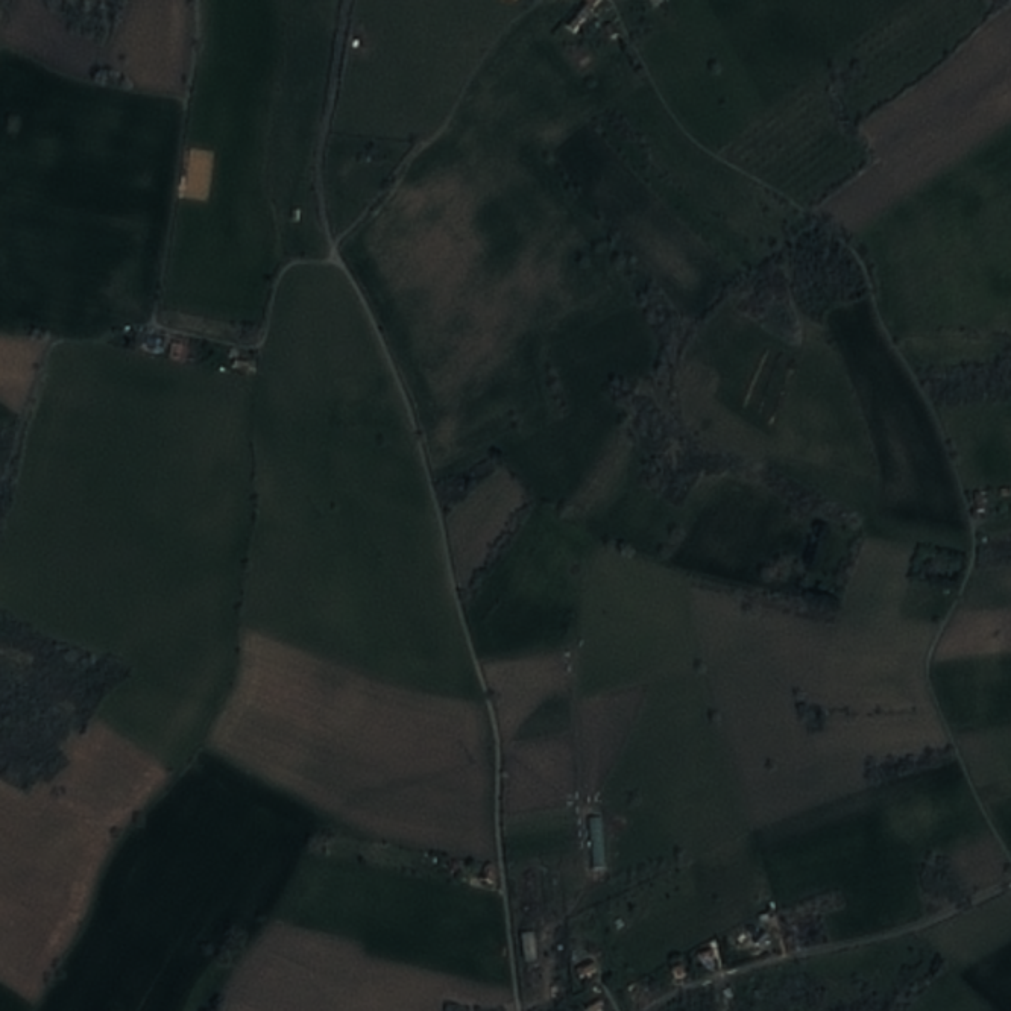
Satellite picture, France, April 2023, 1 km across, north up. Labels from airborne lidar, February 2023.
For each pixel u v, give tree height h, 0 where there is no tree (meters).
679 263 0
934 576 12
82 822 0
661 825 0
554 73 0
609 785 0
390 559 0
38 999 0
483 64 0
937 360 0
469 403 0
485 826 0
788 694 0
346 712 0
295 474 0
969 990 0
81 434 0
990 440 0
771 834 0
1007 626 0
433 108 0
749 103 0
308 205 0
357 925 0
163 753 0
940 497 0
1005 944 0
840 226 12
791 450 0
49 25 0
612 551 13
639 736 0
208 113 0
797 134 0
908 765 8
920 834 0
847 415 0
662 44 0
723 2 0
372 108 0
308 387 0
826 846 0
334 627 0
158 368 0
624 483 0
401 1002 0
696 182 0
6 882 0
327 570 0
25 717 7
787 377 0
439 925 0
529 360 0
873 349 0
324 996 0
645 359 0
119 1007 0
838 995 0
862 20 0
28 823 0
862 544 8
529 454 0
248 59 0
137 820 12
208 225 0
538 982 0
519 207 0
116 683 14
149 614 0
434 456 0
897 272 0
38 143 0
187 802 0
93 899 0
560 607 0
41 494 0
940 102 0
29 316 0
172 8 0
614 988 8
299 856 0
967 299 0
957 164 0
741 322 0
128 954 0
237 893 0
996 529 0
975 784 0
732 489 0
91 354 0
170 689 0
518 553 0
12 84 0
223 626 0
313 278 0
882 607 0
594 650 0
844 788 0
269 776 0
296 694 0
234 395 0
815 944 11
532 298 0
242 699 0
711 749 0
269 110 0
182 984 0
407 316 0
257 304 0
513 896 0
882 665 0
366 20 0
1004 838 0
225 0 0
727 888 0
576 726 0
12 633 13
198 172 0
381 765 0
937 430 0
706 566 0
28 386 0
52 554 0
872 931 0
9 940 0
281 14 0
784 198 6
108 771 0
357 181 0
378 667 0
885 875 0
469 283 0
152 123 0
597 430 0
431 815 0
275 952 0
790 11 0
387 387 0
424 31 0
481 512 0
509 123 0
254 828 0
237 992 0
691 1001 13
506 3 0
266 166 0
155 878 0
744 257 0
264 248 0
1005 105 0
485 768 0
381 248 0
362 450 0
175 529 0
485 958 0
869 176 0
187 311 0
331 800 0
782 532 0
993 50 0
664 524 0
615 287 0
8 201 0
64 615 0
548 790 0
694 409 0
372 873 0
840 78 8
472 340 0
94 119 0
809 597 18
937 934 0
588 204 0
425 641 0
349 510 0
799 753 0
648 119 0
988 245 0
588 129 0
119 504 0
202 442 0
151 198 0
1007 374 14
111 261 0
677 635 0
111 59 0
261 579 0
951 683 0
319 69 0
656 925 0
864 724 0
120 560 0
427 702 0
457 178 0
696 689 0
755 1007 10
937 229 0
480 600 0
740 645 0
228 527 0
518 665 0
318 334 0
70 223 0
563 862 0
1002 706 0
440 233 0
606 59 0
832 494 0
